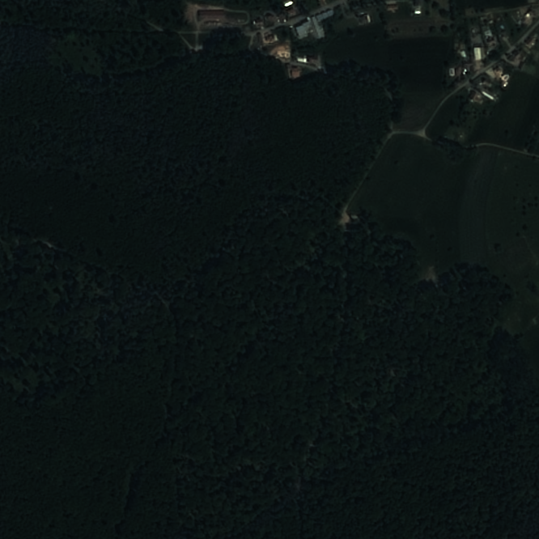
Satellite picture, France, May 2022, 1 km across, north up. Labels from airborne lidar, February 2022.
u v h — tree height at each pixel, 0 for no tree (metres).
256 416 33
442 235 0
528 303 0
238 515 28
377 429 33
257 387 31
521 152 0
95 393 28
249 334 31
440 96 0
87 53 0
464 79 8
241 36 31
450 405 32
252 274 30
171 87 26
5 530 23
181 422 30
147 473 25
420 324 32
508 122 0
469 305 32
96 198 13
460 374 36
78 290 26
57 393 33
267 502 27
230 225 10
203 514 30
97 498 26
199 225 14
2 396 19
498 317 31
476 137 0
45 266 31
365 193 0
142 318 28
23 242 30
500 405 17
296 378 30
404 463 32
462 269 20
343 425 29
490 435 28
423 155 0
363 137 17
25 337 30
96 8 18
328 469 21
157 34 11
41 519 24
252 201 17
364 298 31
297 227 32
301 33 0
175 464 23
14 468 25
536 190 0
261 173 20
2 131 14
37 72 21
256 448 32
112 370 23
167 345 28
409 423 34
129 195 13
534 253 0
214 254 29
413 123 0
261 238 29
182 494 26
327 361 29
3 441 25
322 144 15
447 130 0
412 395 34
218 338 33
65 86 22
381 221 0
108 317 32
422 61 0
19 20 11
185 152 23
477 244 0
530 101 0
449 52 0
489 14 0
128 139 23
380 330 31
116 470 24
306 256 28
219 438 33
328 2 0
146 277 17
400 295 31
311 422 28
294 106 16
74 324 35
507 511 25
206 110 21
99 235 14
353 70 31
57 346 33
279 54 0
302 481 25
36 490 26
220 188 12
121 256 17
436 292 31
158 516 24
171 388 27
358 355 29
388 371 6
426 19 0
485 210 0
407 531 27
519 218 0
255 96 16
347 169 15
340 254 29
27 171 9
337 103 16
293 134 17
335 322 29
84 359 32
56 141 34
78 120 22
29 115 17
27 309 30
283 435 33
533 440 24
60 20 14
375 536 26
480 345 31
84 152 15
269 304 26
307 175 17
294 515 28
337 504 27
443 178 0
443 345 33
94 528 25
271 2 12
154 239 18
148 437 25
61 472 24
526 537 28
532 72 0
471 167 0
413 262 31
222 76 26
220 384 32
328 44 0
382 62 0
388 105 15
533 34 0
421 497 29
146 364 21
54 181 14
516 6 0
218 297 31
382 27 0
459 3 0
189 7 0
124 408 27
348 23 0
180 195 11
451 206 0
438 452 30
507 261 0
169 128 20
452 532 28
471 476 30
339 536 25
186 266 13
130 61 31
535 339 0
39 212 15
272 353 29
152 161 25
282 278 31
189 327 30
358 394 14
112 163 16
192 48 0
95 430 28
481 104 0
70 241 16
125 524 28
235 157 18
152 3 12
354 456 28
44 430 23
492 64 0
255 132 16
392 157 0
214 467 27
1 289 32
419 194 0
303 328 31
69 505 25
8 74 28
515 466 27
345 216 0
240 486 34
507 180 0
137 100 25
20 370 28
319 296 34
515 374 14
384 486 28
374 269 33
